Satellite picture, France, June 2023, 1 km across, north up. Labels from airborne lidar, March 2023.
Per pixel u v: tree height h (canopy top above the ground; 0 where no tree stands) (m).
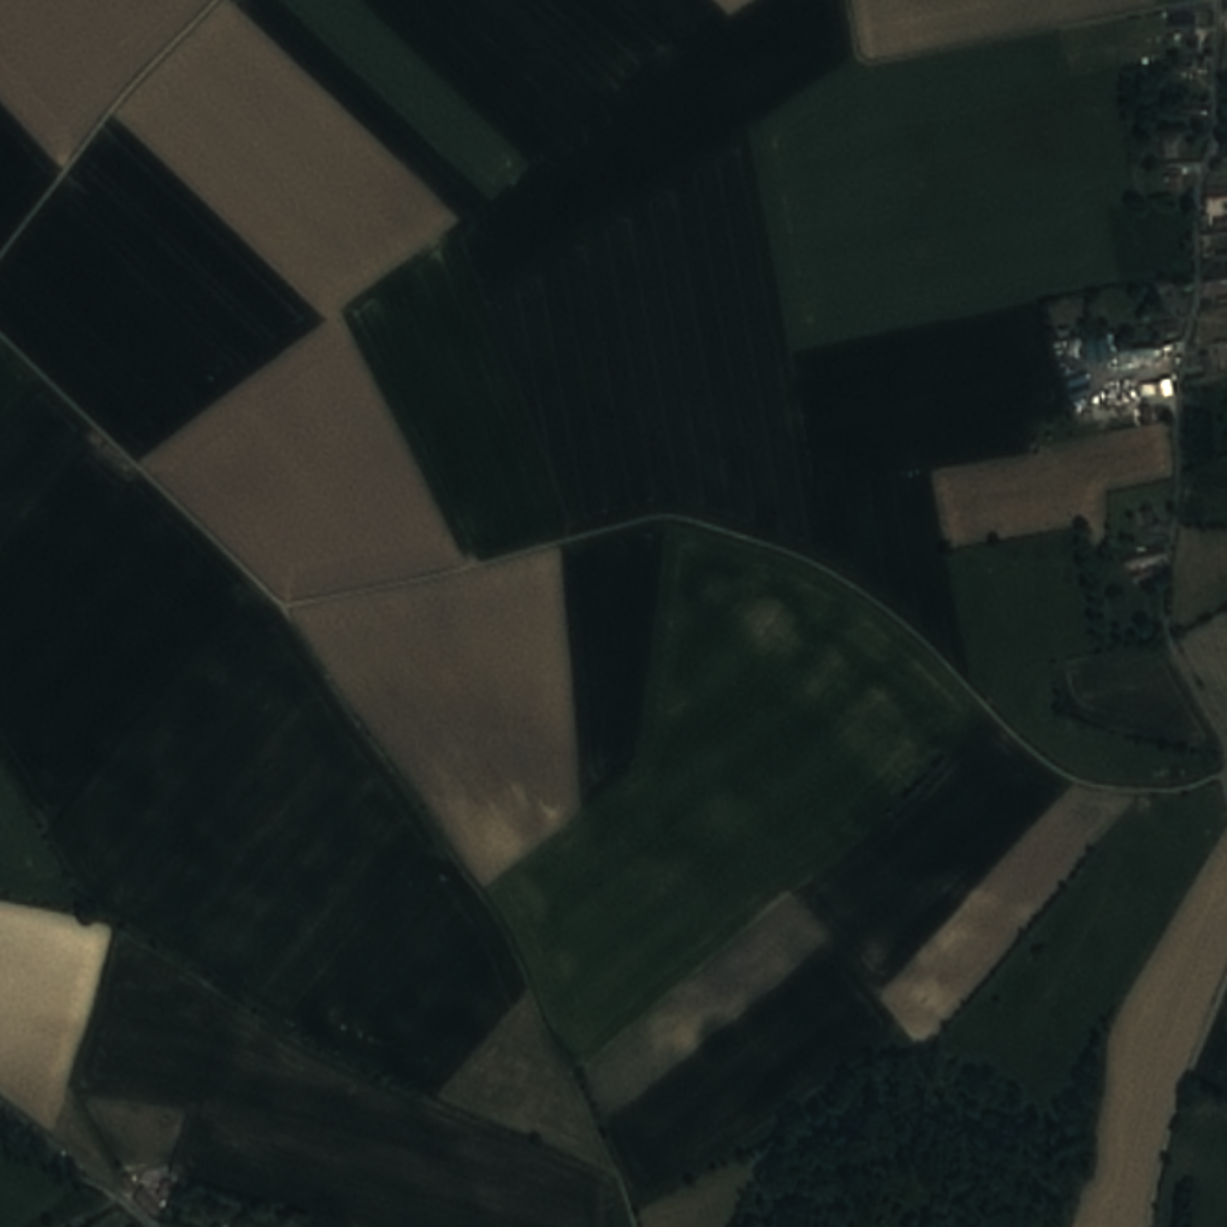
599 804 0
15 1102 0
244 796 0
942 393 0
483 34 0
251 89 0
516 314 0
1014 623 0
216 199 0
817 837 0
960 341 0
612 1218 0
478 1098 0
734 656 0
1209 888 0
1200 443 10
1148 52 0
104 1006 0
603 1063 0
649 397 0
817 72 0
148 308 0
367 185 0
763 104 0
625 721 0
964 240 0
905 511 0
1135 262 0
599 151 0
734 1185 0
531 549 0
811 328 0
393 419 0
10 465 0
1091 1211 0
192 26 0
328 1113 0
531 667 0
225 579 0
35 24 0
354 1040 0
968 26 0
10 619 0
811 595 0
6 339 0
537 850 0
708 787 0
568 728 0
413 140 0
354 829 0
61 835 0
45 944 0
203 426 0
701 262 0
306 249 0
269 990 0
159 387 0
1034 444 0
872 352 0
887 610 0
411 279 0
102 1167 0
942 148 0
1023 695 0
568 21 0
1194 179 0
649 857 0
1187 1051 0
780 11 0
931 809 0
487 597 0
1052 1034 0
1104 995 0
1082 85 0
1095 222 0
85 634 0
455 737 0
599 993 0
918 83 0
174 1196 11
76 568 0
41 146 0
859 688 0
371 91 0
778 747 0
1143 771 0
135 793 0
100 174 0
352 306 0
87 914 15
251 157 0
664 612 0
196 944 0
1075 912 0
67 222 0
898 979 0
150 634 0
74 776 0
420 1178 0
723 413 0
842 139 0
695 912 0
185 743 0
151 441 0
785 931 0
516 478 0
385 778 0
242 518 0
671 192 0
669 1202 0
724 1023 0
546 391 0
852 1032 0
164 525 0
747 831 0
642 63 0
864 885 0
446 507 0
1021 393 0
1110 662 0
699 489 0
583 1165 0
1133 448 0
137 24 0
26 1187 0
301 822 0
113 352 0
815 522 0
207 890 0
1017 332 0
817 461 0
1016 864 0
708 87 0
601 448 0
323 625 0
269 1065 0
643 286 0
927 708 0
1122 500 0
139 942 0
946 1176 27
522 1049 0
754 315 0
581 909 0
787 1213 23
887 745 0
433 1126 0
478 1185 0
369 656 0
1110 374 0
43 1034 0
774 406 0
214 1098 0
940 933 0
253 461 0
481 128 0
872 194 0
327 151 0
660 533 0
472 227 0
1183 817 0
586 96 0
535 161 0
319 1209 0
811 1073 0
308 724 0
